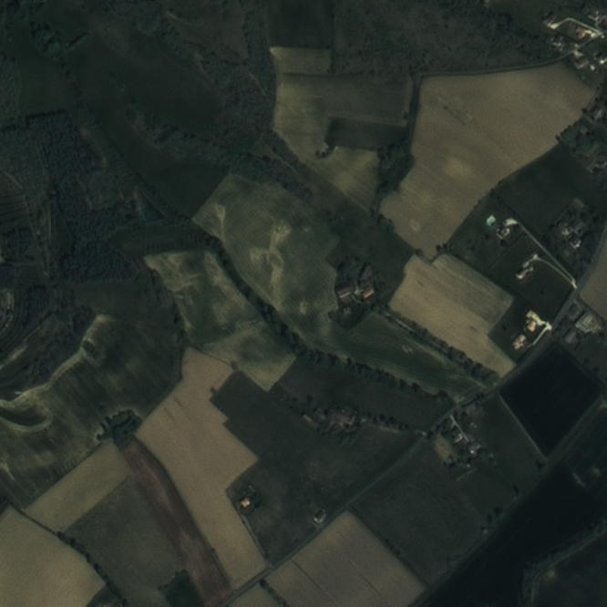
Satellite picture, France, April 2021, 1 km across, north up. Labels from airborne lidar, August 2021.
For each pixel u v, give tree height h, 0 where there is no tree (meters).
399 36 0
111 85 0
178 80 0
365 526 0
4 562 0
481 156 0
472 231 0
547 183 0
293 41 0
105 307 0
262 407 0
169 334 0
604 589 0
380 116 0
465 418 13
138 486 0
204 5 0
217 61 15
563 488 0
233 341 0
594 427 0
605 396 7
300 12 0
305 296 0
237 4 0
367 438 0
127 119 0
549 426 0
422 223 0
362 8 0
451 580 0
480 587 0
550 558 15
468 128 0
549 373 0
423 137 0
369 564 0
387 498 0
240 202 0
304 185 11
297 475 0
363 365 0
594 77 0
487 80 0
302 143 0
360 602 0
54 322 13
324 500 0
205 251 0
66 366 0
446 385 0
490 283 0
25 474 0
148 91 0
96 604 0
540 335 0
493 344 0
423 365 0
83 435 0
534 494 0
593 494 0
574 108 0
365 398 0
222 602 0
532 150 0
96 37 0
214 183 0
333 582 0
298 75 0
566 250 0
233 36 0
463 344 0
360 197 0
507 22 11
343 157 0
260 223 0
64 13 0
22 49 0
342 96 0
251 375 0
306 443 0
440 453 0
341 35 0
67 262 17
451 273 0
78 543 15
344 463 0
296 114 0
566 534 0
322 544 0
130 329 0
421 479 0
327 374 0
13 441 0
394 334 0
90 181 20
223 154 7
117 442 15
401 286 0
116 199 21
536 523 0
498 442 0
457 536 0
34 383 11
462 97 0
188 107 0
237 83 18
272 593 10
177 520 0
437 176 0
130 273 15
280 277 0
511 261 0
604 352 0
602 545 0
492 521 16
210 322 0
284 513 0
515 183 0
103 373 0
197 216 0
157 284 16
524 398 0
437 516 0
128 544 0
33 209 13
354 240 0
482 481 0
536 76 0
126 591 0
